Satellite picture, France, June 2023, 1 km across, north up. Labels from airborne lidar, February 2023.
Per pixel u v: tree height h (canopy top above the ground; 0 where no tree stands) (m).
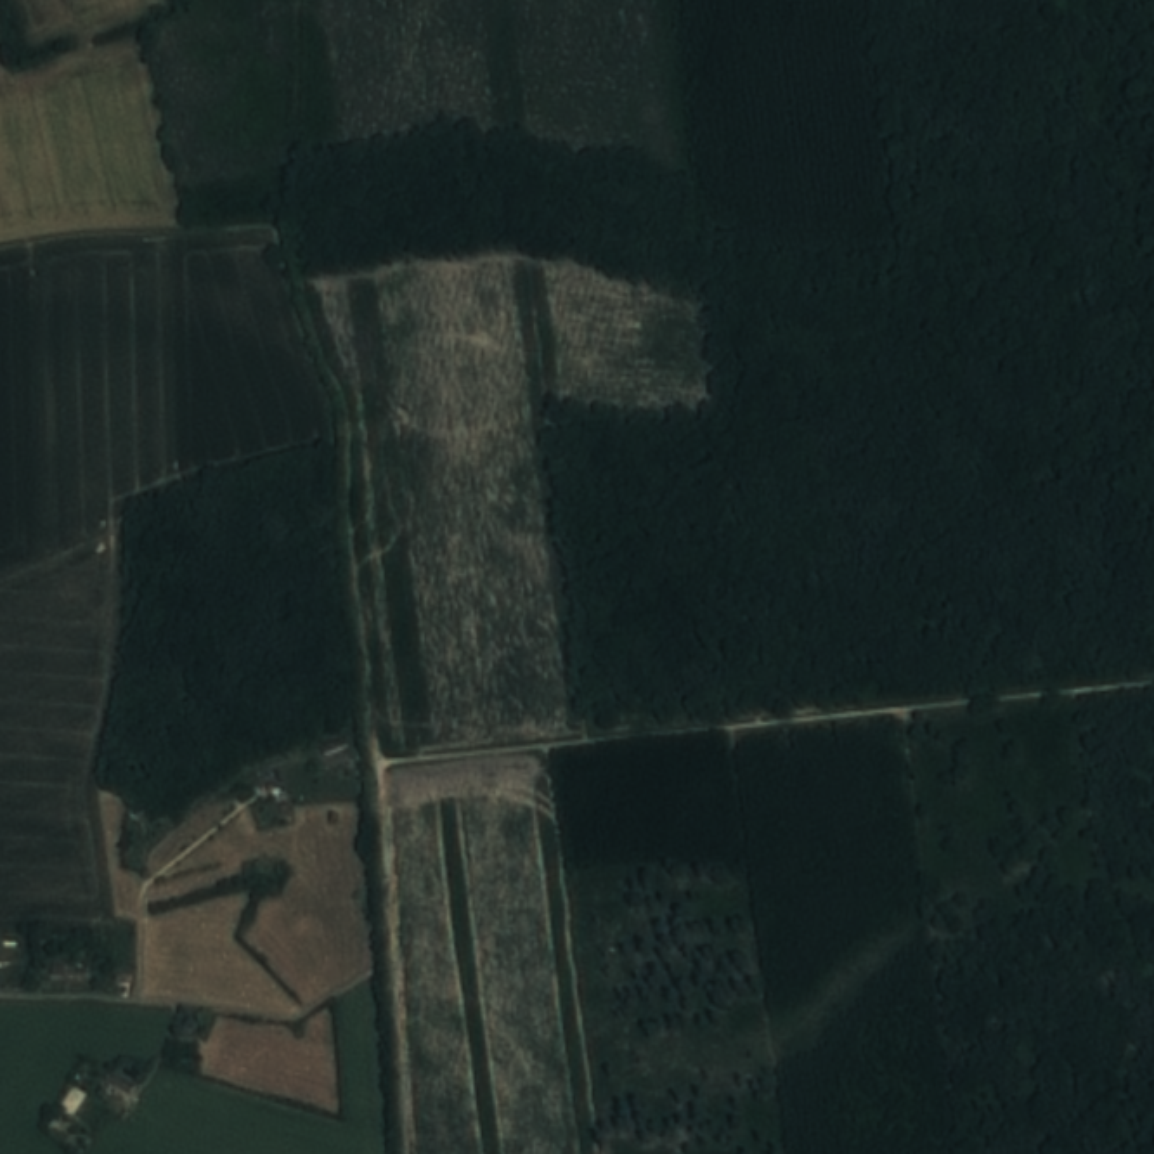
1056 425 22
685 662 26
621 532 26
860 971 0
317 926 0
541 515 0
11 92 0
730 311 28
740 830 10
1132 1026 19
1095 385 24
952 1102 13
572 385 0
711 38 9
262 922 0
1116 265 23
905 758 7
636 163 25
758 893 9
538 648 0
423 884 0
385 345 0
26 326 0
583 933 0
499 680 0
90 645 0
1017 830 14
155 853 0
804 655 20
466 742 0
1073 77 20
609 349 0
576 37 0
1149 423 12
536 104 0
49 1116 14
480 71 0
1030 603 22
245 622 17
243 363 0
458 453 0
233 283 0
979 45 23
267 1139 0
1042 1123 19
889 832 9
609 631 21
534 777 0
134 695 18
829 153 13
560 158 21
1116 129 20
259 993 0
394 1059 19
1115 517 24
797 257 19
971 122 21
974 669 24
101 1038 0
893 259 24
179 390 0
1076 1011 18
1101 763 20
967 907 19
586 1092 0
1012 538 20
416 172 19
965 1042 14
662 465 26
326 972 0
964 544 23
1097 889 20
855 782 9
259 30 0
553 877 0
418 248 24
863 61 13
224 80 0
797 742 8
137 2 0
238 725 23
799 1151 13
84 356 0
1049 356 20
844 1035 8
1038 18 22
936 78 18
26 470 0
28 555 0
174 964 0
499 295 0
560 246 28
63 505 0
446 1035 0
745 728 0
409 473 0
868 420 21
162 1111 0
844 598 22
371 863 17
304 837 0
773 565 20
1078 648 19
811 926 9
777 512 23
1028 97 19
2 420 0
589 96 0
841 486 20
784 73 13
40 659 0
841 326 19
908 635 21
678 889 0
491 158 20
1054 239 20
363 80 0
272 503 21
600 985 0
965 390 23
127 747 20
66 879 0
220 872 0
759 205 12
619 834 10
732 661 22
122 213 0
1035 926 21
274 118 0
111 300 0
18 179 0
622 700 20
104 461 0
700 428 18
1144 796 18
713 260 20
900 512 23
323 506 18
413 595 0
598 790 10
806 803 11
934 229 23
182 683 23
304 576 20
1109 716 20
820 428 20
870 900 9
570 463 21
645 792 12
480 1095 0
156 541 21
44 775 0
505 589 0
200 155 0
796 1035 0
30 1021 0
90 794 0
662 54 0
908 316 23
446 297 0
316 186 23
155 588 24
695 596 26
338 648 23
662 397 0
